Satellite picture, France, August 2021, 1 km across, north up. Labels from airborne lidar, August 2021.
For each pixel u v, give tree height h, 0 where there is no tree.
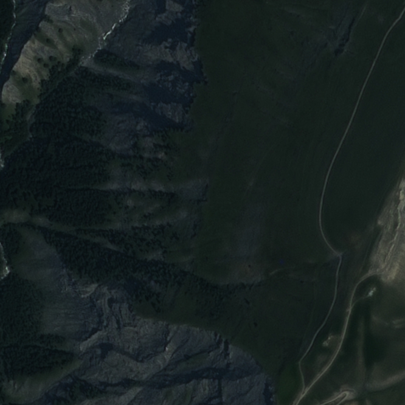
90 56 0
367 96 0
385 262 0
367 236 0
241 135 0
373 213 0
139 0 0
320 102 0
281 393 0
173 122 0
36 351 15
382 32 0
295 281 0
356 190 0
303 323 0
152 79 0
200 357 0
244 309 0
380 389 0
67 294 0
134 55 0
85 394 11
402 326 0
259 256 0
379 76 0
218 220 0
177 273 0
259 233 0
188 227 0
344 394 0
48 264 0
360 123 0
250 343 0
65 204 18
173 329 0
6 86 0
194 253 0
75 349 0
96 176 16
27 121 12
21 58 0
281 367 0
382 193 0
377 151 0
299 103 0
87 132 11
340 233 0
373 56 0
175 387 0
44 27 0
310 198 0
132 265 7
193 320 0
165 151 8
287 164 0
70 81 20
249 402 0
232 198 0
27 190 15
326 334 0
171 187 0
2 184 17
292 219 0
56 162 8
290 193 0
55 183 19
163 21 0
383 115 0
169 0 0
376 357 0
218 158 0
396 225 0
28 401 0
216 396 0
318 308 0
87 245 7
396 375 0
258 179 0
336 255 0
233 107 0
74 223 16
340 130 0
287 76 0
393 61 0
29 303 10
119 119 0
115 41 0
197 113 0
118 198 8
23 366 17
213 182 0
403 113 0
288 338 0
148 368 0
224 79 0
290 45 0
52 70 14
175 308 0
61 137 9
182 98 0
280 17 0
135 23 0
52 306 0
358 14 0
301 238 0
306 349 0
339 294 0
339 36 0
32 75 0
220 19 0
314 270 0
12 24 13
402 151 0
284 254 0
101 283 7
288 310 0
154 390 0
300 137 0
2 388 12
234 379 0
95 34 0
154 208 0
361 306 0
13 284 10
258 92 0
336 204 0
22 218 0
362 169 0
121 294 0
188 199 0
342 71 0
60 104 16
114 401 0
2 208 15
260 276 0
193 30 0
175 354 0
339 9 0
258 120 0
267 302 0
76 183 19
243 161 0
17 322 15
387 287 0
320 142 0
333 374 0
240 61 0
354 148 0
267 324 0
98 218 14
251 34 0
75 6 0
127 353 0
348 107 0
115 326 0
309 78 0
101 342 0
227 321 0
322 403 0
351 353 0
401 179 0
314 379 0
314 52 0
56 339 13
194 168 0
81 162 18
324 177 0
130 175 0
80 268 11
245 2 0
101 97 0
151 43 0
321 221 0
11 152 14
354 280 0
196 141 0
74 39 0
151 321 0
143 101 0
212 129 0
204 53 0
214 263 0
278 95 0
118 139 0
